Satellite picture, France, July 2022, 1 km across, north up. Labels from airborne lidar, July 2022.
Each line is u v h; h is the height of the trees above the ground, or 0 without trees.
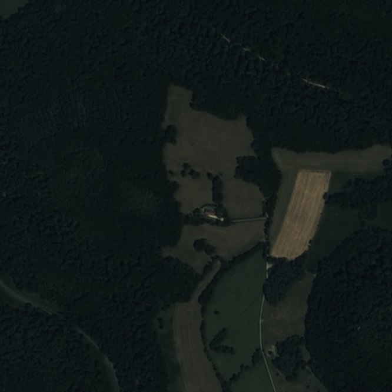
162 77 24
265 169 19
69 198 10
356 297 27
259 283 0
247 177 15
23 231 27
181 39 32
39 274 23
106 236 20
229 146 0
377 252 8
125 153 19
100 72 28
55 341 27
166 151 0
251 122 21
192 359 0
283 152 0
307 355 0
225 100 27
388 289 33
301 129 24
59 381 31
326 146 20
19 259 25
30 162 19
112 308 26
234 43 29
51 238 27
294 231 0
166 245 22
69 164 12
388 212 0
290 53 30
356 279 33
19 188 21
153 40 32
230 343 0
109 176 15
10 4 0
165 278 17
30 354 23
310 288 0
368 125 25
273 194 12
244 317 0
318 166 0
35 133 15
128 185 8
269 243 15
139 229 20
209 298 14
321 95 27
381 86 22
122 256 31
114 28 25
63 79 30
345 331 24
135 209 6
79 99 19
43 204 22
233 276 0
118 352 21
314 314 24
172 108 0
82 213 14
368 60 31
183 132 0
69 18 30
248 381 0
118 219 12
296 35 30
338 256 24
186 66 30
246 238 0
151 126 19
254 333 0
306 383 0
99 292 20
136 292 29
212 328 0
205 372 0
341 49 33
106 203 18
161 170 16
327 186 0
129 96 21
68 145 14
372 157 0
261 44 7
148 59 25
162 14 17
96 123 18
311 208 0
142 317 26
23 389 22
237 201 0
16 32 25
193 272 20
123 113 17
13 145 22
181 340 0
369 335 13
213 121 0
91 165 13
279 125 27
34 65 35
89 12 25
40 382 23
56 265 19
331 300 33
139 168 22
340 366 23
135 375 21
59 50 31
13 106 21
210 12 18
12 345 30
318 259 0
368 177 0
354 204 23
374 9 12
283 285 24
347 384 30
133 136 16
